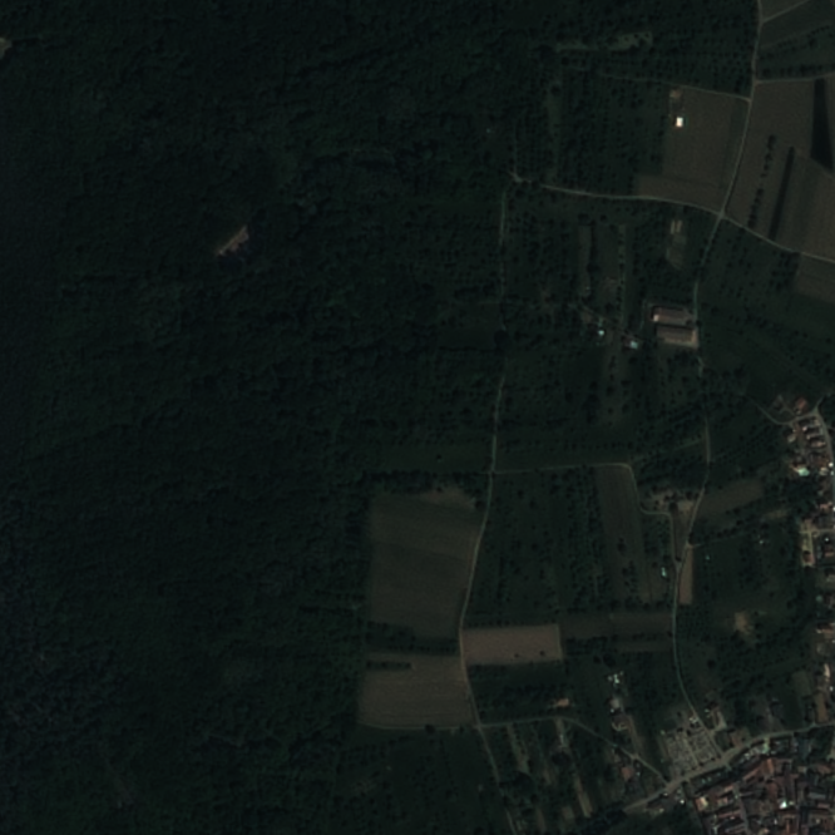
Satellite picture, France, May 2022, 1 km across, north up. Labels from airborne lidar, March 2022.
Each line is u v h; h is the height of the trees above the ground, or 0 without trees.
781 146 0
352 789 0
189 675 27
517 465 0
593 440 0
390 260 26
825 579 0
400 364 25
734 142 0
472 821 0
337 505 25
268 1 23
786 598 0
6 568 27
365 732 0
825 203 0
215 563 30
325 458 24
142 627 28
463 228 7
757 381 0
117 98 25
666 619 0
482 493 8
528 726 0
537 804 10
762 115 0
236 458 30
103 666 26
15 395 20
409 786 0
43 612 25
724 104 0
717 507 0
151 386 26
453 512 0
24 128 13
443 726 0
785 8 0
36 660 25
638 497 0
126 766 23
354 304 32
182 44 28
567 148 8
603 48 10
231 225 31
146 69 28
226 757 28
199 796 20
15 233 17
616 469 0
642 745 0
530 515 0
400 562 0
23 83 22
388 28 26
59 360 18
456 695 0
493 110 14
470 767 0
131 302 27
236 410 30
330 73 25
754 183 0
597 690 0
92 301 25
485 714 6
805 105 0
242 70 30
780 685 0
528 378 0
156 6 22
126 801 11
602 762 0
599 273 13
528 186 9
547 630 0
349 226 31
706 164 0
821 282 0
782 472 0
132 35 28
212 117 20
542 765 0
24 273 18
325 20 30
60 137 18
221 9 23
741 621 0
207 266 31
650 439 10
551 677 0
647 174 0
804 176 0
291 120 25
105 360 28
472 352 9
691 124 0
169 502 29
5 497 26
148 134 24
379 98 31
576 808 0
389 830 0
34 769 28
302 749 19
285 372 30
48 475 19
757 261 0
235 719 24
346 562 17
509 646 0
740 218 0
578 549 6
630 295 0
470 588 0
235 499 26
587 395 0
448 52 27
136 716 27
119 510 28
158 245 30
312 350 30
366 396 27
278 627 20
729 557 0
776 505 0
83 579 29
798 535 11
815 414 0
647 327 0
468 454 0
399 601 0
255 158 30
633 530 0
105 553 28
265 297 31
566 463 0
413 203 0
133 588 24
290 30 35
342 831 0
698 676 0
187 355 27
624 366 0
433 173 28
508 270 6
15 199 18
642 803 0
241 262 26
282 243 31
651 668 8
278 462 28
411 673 0
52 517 22
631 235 0
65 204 20
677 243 0
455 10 29
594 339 11
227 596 29
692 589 0
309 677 12
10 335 19
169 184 31
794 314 0
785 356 0
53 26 22
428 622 0
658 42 10
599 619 0
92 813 20
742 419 0
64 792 23
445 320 0
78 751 26
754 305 0
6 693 27
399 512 0
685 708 0
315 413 21
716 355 0
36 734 26
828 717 0
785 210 0
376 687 0
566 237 9
